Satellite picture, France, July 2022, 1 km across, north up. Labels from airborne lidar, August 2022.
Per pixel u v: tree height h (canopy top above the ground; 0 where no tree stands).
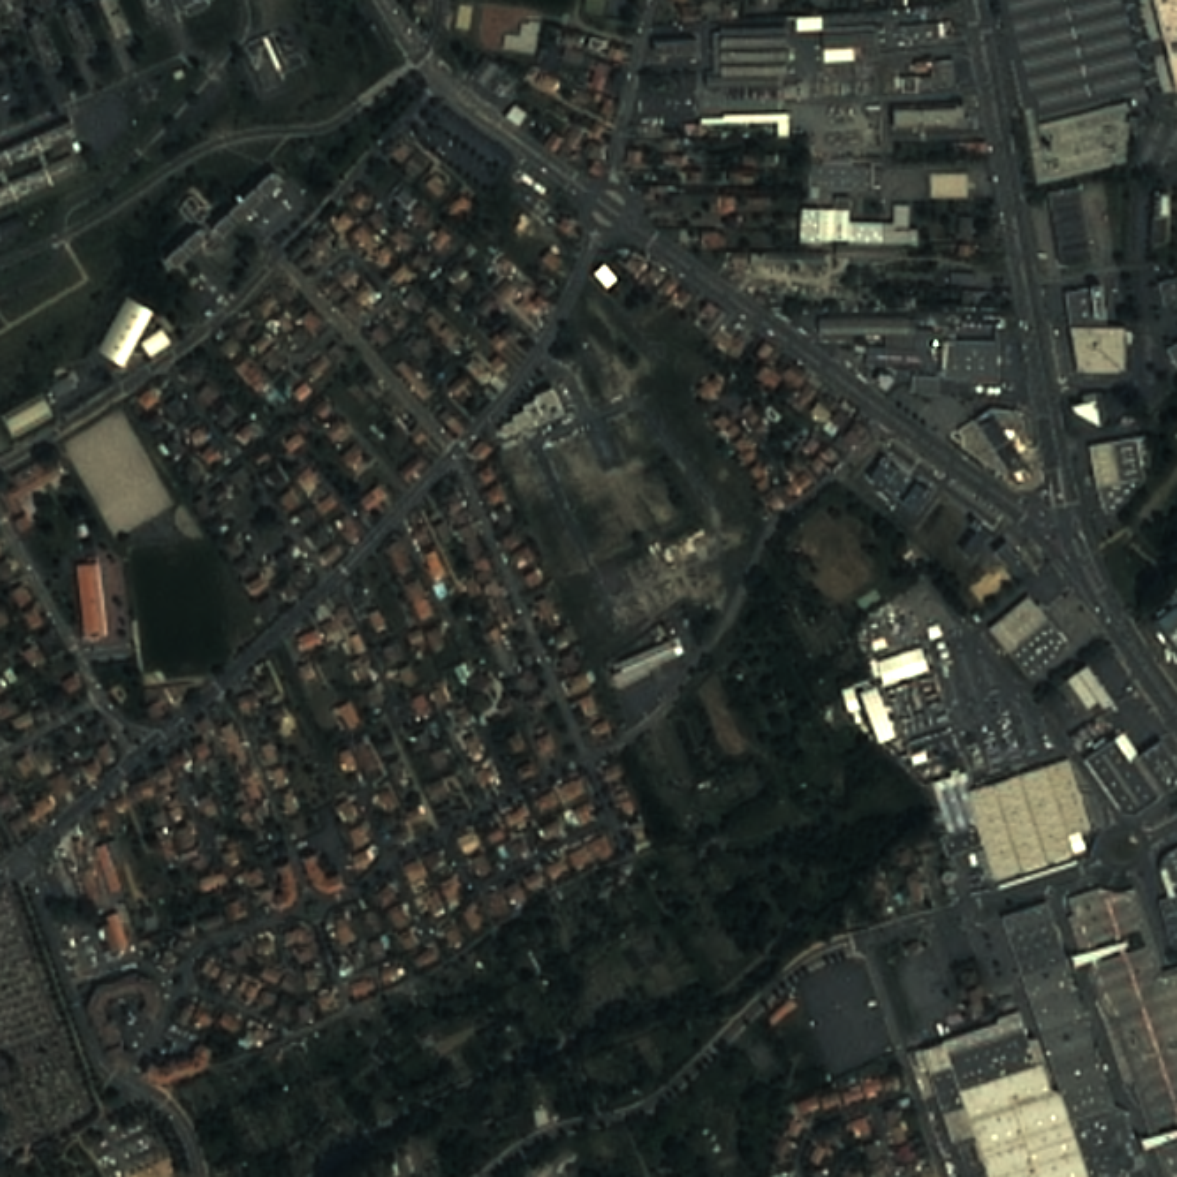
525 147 0
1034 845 0
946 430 0
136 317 0
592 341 0
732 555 0
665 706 0
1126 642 0
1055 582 0
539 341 0
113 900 0
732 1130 0
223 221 0
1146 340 0
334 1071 11
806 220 0
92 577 0
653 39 0
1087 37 0
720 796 0
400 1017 8
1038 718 0
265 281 0
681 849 0
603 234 0
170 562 0
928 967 0
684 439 0
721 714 0
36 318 0
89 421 0
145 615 0
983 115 0
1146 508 0
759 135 6
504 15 0
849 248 0
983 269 0
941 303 6
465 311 8
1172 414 11
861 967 0
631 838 8
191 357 10
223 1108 7
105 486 0
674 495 10
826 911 9
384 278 10
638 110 0
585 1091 11
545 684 9
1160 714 0
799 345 0
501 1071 12
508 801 6
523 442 0
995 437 0
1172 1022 0
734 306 0
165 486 0
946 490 0
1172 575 21
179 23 0
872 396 0
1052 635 0
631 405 0
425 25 8
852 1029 0
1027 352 0
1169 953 6
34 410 0
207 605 0
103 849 0
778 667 13
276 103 0
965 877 0
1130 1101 0
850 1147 7
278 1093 12
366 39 7
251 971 7
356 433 0
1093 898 0
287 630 0
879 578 0
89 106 0
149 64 0
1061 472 0
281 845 9
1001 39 0
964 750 0
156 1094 0
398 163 9
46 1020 0
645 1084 8
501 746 9
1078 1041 0
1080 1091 0
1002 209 0
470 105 0
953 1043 0
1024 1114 0
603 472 0
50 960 6
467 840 0
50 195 0
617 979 0
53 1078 0
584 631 0
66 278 0
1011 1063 0
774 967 12
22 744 0
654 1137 8
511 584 0
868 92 0
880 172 0
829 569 0
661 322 0
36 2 8
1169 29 0
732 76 0
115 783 0
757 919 11
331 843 0
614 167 0
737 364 6
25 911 7
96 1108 7
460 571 8
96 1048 0
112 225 0
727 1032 0
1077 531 0
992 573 0
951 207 6
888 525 15
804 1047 0
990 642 0
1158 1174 0
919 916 0
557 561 0
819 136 0
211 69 0
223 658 0
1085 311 0
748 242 8
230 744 0
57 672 0
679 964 0
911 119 0
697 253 8
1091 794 0
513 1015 9
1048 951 0
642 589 0
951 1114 0
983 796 0
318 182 7
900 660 0
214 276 0
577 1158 0
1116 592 0
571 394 0
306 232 8
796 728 7
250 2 0
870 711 0
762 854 13
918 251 6
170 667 0
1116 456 0
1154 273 0
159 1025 0
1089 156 0
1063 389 0
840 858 10
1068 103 0
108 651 0
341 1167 31
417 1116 15
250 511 0
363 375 7
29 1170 8
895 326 0
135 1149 0
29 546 0
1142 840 0
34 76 11
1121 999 0
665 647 0
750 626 8
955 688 0
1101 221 0
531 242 0
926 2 7
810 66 0
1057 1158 0
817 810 10
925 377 0
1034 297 0
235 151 0
